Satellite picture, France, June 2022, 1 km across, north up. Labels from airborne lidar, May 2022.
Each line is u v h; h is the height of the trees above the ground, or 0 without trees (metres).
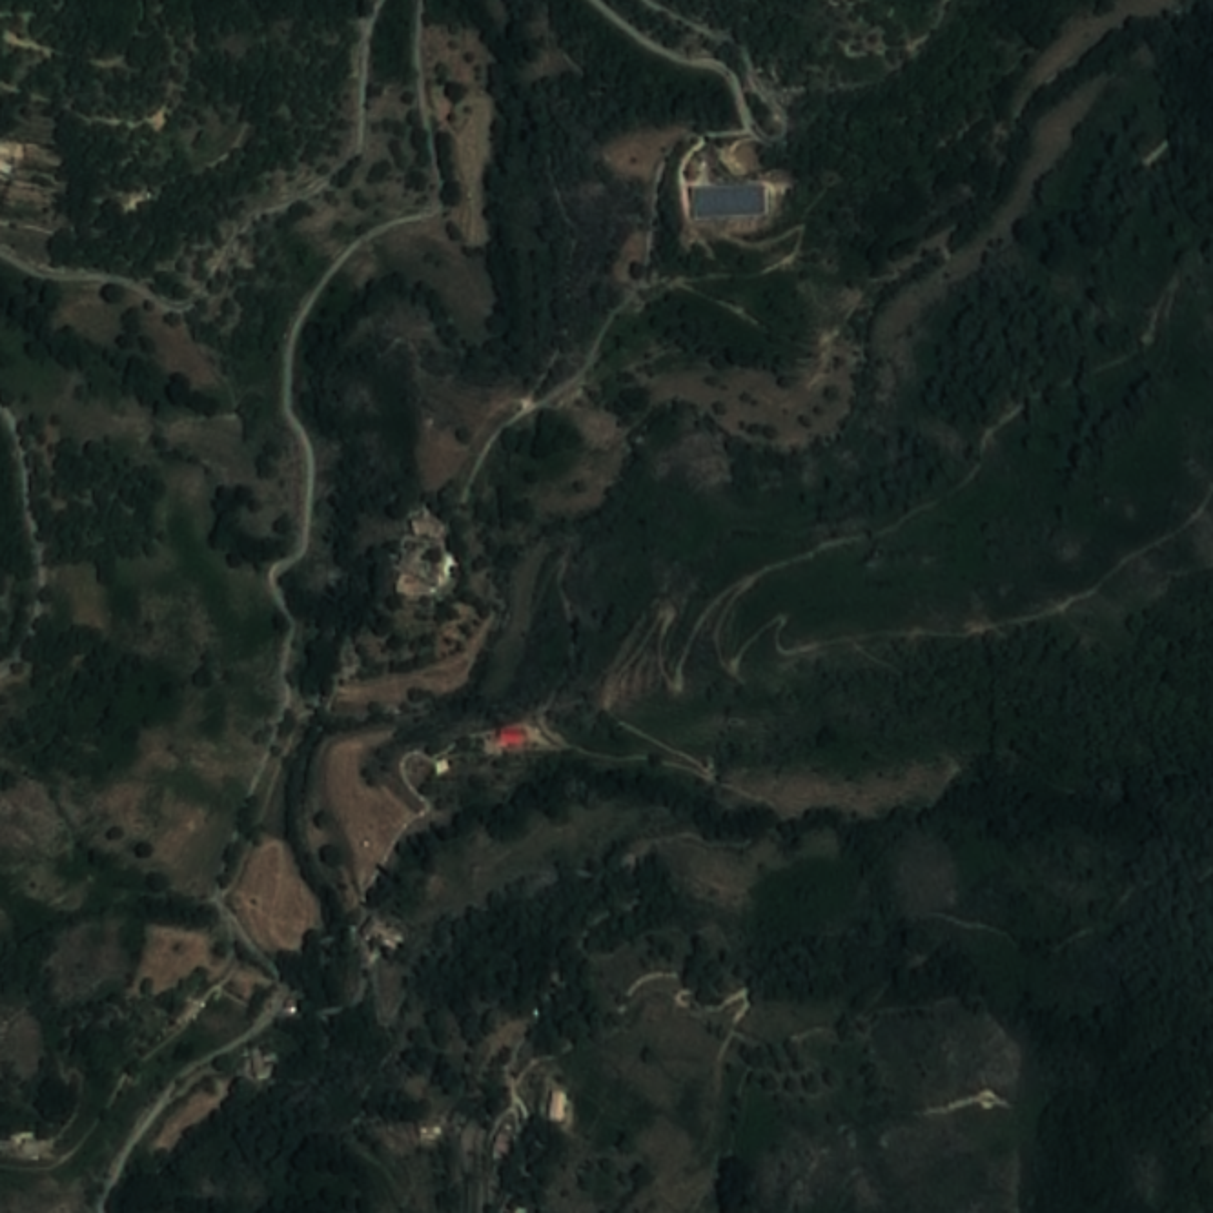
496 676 0
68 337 20
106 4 14
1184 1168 10
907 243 18
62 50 12
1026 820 26
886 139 18
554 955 7
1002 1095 0
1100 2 14
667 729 0
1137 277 0
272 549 19
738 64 15
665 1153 0
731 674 0
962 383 10
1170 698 13
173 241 10
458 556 17
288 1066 14
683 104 15
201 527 0
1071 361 11
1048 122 0
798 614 0
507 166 25
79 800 0
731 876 0
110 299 22
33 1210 0
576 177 11
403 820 0
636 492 0
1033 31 19
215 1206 17
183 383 19
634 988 0
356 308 13
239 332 11
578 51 14
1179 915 12
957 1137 0
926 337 0
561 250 10
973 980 6
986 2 10
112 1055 7
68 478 11
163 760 0
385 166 10
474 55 8
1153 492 0
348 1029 12
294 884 0
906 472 9
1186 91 12
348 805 0
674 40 10
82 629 11
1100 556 0
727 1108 0
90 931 0
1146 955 9
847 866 0
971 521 0
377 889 13
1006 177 15
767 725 0
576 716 5
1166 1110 9
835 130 15
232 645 0
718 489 0
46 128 0
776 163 7
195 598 0
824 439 13
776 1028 0
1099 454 10
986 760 11
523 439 12
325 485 0
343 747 0
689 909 0
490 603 9
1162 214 12
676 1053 0
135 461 13
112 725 12
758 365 10
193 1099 0
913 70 14
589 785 21
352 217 0
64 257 12
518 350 10
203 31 14
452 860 0
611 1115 0
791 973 8
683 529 0
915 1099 0
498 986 9
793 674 0
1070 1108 6
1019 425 0
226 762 0
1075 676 10
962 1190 0
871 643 0
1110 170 16
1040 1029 10
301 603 19
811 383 0
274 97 10
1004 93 17
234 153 9
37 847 0
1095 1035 14
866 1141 0
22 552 15
